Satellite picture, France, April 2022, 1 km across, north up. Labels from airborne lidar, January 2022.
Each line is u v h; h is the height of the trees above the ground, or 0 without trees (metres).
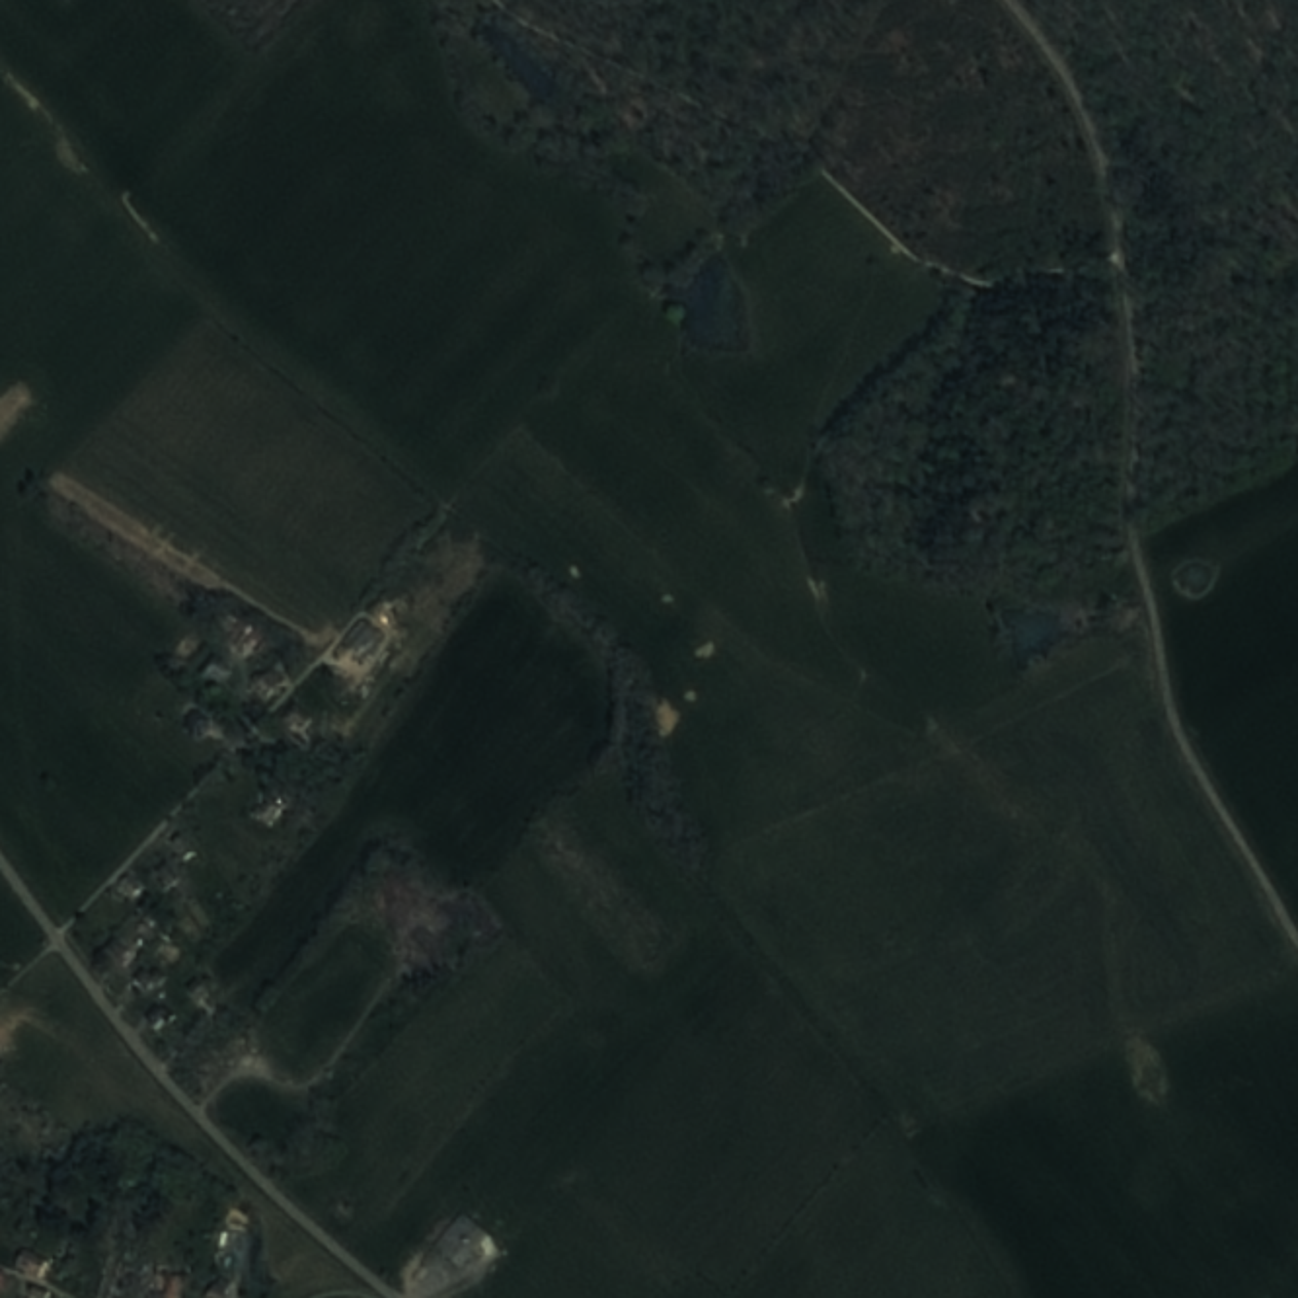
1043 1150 0
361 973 0
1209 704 0
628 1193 0
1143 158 23
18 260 0
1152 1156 0
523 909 0
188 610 18
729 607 0
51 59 0
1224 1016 0
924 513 28
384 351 0
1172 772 0
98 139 0
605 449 0
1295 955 0
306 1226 0
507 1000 0
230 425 0
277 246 0
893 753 0
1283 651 0
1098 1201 0
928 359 21
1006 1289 0
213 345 0
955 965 0
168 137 0
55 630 0
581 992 0
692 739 0
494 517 0
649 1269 0
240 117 0
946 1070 0
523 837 7
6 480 0
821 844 0
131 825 0
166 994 0
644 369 0
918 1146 0
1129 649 0
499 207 0
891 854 0
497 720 0
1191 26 27
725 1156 0
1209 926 0
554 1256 0
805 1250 0
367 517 0
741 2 30
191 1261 8
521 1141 0
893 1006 0
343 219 0
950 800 0
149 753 0
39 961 0
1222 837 0
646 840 0
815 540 0
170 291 0
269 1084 0
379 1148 0
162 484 0
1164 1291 0
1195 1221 0
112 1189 21
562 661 0
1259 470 27
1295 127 31
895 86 7
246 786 0
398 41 0
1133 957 0
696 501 0
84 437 0
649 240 0
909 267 0
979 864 0
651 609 0
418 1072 0
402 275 0
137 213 0
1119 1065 0
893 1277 0
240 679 0
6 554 0
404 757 0
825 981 0
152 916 8
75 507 17
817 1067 0
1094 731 0
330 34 0
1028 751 0
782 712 0
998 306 18
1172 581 0
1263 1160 0
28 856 0
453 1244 0
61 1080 0
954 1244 0
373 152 0
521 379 0
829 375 0
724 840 0
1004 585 24
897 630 0
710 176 22
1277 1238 0
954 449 16
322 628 0
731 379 0
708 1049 0
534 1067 0
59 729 0
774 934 0
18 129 0
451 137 0
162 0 0
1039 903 0
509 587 0
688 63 26
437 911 0
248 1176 0
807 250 0
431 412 0
